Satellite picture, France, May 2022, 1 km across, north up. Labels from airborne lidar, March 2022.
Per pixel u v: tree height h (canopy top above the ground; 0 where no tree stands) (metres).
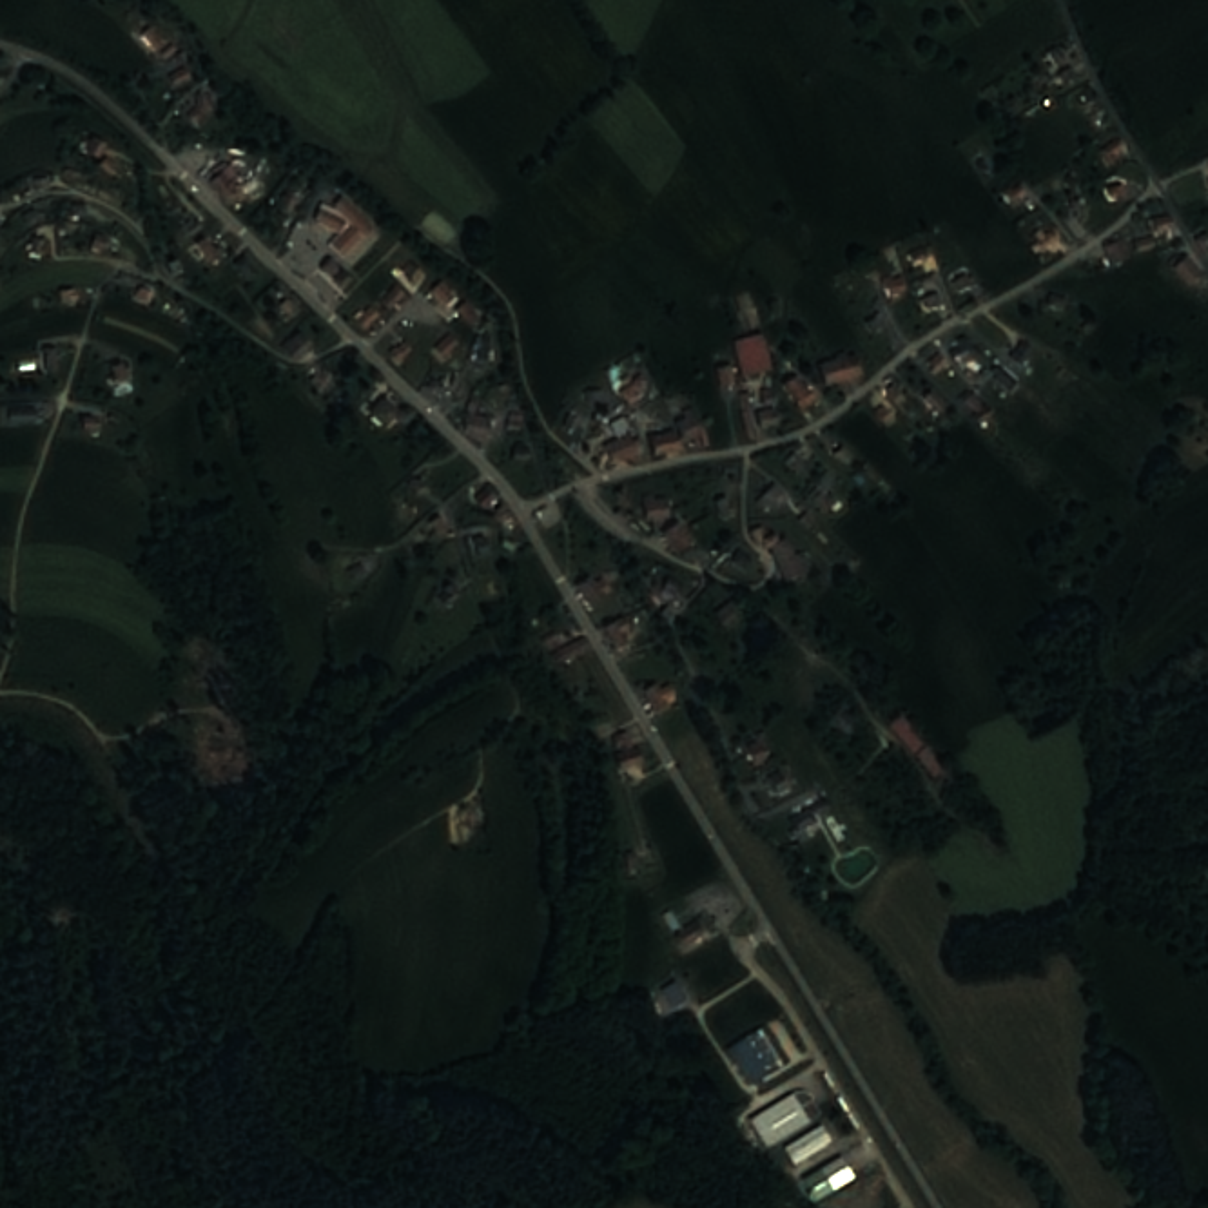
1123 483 0
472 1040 0
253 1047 34
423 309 0
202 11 0
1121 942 0
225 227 0
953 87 0
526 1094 7
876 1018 0
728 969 0
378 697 14
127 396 0
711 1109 22
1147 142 6
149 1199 10
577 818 19
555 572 0
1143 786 24
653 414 0
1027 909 0
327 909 8
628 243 0
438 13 0
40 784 25
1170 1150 27
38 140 0
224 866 24
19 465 0
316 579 0
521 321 0
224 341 13
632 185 0
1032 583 0
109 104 0
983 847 0
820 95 0
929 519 0
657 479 0
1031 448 0
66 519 0
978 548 0
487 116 0
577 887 26
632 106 0
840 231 0
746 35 0
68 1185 7
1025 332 0
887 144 0
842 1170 0
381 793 0
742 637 0
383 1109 33
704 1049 28
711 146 0
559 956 18
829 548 0
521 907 0
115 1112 14
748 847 0
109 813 13
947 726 0
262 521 0
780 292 0
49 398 0
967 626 0
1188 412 11
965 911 0
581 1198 26
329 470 0
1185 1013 0
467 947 0
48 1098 15
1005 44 0
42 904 21
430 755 0
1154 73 0
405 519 0
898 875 0
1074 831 0
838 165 0
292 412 0
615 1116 8
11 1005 10
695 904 0
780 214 14
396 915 0
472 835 0
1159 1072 0
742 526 0
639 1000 21
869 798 0
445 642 0
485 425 0
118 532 0
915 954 0
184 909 22
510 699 0
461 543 0
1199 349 0
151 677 0
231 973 9
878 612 14
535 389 0
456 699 12
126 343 0
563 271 0
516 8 0
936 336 0
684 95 0
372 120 0
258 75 0
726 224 0
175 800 34
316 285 0
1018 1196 0
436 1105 32
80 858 24
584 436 0
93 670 0
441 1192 24
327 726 23
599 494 0
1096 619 26
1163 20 0
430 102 0
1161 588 0
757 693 0
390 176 0
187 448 0
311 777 20
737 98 0
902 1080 0
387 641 0
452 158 0
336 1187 31
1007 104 8
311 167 8
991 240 0
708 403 0
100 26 0
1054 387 0
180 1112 23
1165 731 20
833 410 0
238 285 0
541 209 0
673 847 0
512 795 0
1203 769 20
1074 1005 0
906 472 0
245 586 23
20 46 0
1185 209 0
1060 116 0
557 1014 17
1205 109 0
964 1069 0
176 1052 16
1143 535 0
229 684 30
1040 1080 0
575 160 0
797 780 0
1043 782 0
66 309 0
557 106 0
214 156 0
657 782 0
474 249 20
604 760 18
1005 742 0
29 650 0
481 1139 34
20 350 0
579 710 9
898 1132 0
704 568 0
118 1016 28
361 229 0
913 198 0
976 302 7
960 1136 0
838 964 0
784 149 0
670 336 0
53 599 0
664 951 0
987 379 0
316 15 0
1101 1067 20
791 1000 0
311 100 0
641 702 0
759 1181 13
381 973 0
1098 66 7
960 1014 0
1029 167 7
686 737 0
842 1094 0
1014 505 0
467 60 0
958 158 0
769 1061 0
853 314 0
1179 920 13
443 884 0
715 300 0
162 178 0
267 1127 40
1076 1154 0
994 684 0
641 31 0
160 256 11
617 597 0
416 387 0
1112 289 0
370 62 0
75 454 0
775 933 0
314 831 20
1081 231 0
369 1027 0
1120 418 0
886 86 0
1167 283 0
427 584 0
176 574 14
